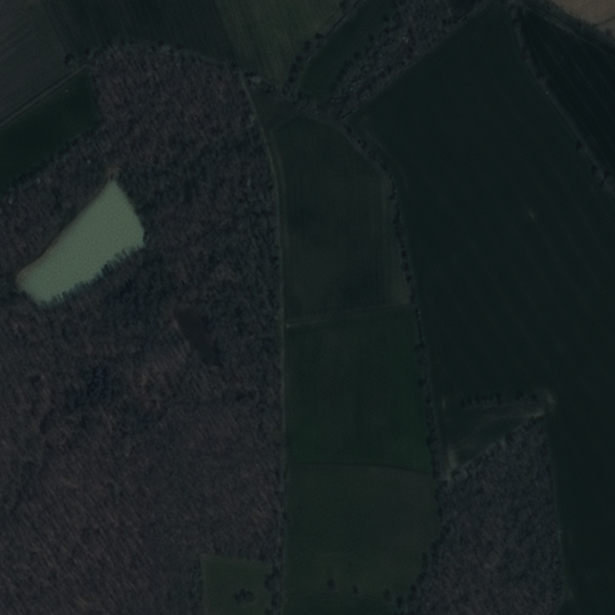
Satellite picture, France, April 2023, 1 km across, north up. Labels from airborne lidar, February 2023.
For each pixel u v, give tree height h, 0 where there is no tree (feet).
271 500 82
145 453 79
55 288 0
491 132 0
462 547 79
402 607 63
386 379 0
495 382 0
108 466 74
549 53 0
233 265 93
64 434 74
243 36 0
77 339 75
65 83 0
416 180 0
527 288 0
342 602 0
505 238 0
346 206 0
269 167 50
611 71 0
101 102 59
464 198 0
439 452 69
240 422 75
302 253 0
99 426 71
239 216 58
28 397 69
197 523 81
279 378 71
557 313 0
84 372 74
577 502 0
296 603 0
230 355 83
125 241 0
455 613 87
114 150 64
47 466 76
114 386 66
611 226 0
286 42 0
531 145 0
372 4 0
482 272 0
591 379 0
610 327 0
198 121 73
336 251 0
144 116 57
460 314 0
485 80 0
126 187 74
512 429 0
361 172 0
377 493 0
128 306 67
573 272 0
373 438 0
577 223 0
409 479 0
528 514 56
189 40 0
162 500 91
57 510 82
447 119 0
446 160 0
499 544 83
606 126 0
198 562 44
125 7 0
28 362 78
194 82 73
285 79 0
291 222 0
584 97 0
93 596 83
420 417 0
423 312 0
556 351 0
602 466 0
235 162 70
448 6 0
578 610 0
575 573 0
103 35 0
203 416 81
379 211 0
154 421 67
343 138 0
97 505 66
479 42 0
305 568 0
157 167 69
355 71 67
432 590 60
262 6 0
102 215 0
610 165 0
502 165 0
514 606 81
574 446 0
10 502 74
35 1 0
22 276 0
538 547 77
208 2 0
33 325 81
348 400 0
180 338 76
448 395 0
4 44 0
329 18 0
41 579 86
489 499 70
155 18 0
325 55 0
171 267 74
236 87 66
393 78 48
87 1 0
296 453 0
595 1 0
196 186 78
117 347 79
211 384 93
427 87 0
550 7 42
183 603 53
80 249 0
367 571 0
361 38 0
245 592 0
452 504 58
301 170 0
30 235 82
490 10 0
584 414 0
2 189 0
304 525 0
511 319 0
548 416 0
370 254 0
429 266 0
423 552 0
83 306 74
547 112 0
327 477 0
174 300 54
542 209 0
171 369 100
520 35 0
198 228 79
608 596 0
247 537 75
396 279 0
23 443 69
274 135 0
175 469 71
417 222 0
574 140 0
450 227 0
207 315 72
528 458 86
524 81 0
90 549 68
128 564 69
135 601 90
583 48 0
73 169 76
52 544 73
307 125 0
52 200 84
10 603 92
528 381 0
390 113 0
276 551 69
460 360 0
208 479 88
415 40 61
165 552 73
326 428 0
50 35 0
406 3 64
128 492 77
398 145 0
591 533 0
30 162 0
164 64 31
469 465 0
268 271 85
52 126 0
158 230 70
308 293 0
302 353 0
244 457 73
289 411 0
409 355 0
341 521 0
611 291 0
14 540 88
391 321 0
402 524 0
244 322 93
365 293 0
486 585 79
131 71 67
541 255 0
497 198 0
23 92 0
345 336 0
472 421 0
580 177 0
